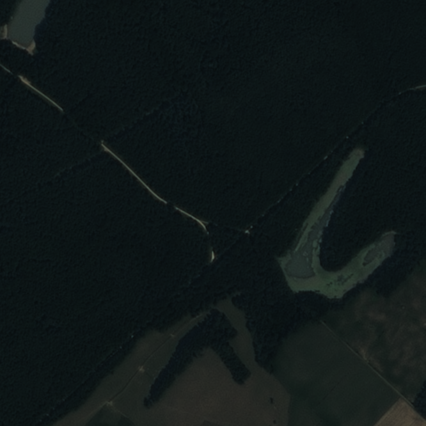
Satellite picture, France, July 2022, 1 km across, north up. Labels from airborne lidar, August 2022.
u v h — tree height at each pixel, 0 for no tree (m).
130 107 23
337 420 0
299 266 0
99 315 20
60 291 23
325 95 19
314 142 18
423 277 0
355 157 0
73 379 18
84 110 31
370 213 20
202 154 16
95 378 20
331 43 17
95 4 32
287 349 0
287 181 18
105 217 27
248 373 17
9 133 16
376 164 17
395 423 0
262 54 18
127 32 25
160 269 29
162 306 30
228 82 19
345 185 0
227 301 0
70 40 24
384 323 0
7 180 21
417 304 0
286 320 10
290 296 34
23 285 20
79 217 20
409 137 16
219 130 18
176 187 20
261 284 24
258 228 27
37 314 23
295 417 0
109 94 25
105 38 24
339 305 17
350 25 17
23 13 0
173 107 31
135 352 0
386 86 13
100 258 17
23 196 23
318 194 11
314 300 26
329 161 15
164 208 20
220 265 22
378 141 22
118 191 20
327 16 16
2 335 21
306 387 0
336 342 0
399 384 0
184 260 20
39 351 19
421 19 14
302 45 15
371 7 15
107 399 0
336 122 17
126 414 0
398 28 13
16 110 19
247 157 17
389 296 15
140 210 22
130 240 28
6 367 20
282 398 0
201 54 17
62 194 20
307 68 17
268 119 18
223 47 25
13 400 22
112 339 24
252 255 24
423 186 20
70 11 23
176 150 25
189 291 28
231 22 16
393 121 19
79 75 25
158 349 0
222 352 21
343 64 16
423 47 15
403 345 0
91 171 21
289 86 18
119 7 24
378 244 0
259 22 21
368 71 17
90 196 24
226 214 24
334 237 22
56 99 23
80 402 19
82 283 24
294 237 16
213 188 21
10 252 21
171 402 0
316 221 0
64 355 22
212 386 0
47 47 31
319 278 0
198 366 0
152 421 0
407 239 12
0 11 21
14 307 21
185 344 24
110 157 13
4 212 23
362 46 18
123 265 20
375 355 0
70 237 18
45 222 21
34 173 23
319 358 0
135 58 22
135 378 0
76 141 23
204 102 15
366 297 0
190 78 17
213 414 0
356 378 0
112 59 26
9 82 15
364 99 18
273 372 13
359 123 10
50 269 20
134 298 21
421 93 17
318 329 0
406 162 17
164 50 29
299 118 17
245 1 17
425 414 17
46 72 24
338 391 0
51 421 19
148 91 22
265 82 18
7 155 21
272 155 17
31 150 24
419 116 17
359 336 0
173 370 19
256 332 21
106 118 25
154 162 24
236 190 22
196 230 21
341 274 0
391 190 16
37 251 20
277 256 13
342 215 20
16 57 27
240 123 18
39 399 23
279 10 15
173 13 19
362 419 0
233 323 0
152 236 20
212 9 7
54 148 21
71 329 22
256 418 0
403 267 25
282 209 17
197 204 19
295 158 19
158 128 23
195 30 19
